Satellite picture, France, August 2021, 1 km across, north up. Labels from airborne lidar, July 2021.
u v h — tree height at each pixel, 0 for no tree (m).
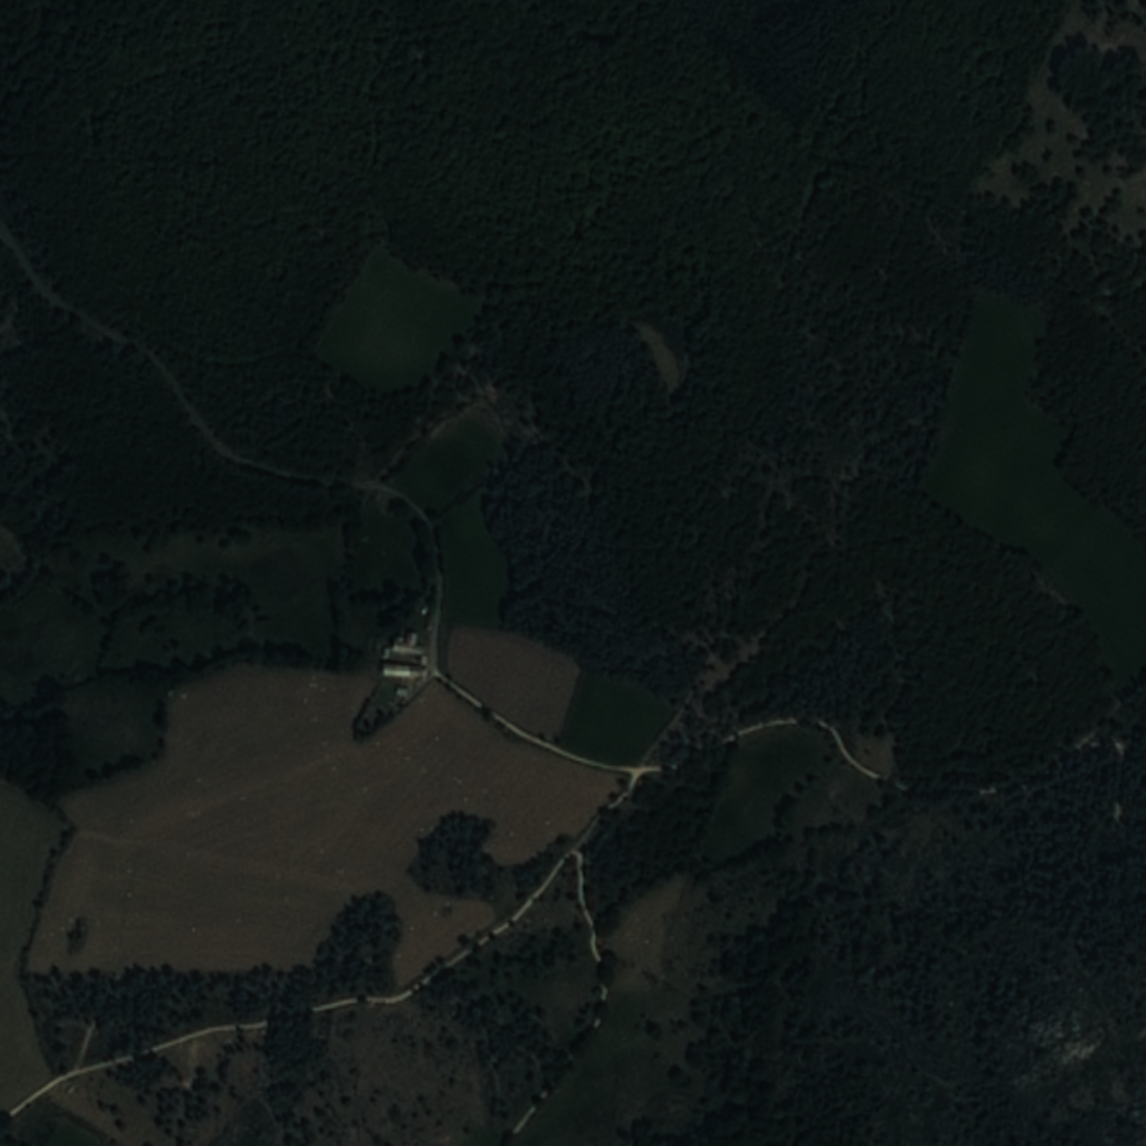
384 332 0
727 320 17
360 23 13
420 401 9
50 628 0
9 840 0
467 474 0
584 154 13
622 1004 0
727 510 11
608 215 14
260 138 14
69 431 14
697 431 10
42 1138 0
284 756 0
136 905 0
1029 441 0
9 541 0
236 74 13
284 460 12
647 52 13
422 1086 0
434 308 0
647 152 14
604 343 17
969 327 9
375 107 13
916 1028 12
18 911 0
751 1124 15
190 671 15
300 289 12
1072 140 8
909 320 8
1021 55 14
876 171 13
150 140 15
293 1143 13
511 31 15
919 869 0
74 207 8
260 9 12
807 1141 13
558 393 11
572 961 8
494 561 0
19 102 10
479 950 11
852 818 0
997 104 16
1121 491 14
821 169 10
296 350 7
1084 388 12
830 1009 0
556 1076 10
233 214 9
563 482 16
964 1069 0
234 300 15
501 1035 14
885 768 0
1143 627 0
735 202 11
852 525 9
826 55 20
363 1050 0
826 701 14
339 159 10
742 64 13
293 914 0
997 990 7
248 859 0
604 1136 0
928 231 8
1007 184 0
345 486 13
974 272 10
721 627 7
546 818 0
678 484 13
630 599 11
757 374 8
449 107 12
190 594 14
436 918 0
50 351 12
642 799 10
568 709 0
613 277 16
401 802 0
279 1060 14
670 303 12
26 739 20
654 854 7
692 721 9
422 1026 0
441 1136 0
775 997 16
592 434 14
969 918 13
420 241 12
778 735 0
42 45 11
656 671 16
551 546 10
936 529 11
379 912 11
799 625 12
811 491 9
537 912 0
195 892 0
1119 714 0
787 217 12
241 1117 0
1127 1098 0
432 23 12
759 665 11
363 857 0
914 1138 0
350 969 10
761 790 0
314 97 10
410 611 14
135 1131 0
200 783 0
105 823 0
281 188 11
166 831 0
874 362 6
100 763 0
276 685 0
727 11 12
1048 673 12
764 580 13
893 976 13
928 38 16
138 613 11
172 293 14
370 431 9
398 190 12
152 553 11
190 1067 0
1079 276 11
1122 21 6
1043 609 13
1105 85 13
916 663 12
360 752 0
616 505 16
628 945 0
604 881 13
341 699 0
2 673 0
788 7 16
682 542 14
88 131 9
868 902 8
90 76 12
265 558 0
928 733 13
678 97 10
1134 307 14
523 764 0
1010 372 0
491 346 18
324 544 0
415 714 0
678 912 0
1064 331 7
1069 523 0
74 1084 0
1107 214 9
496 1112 7
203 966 0
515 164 13
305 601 0
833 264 9
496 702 0
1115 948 12
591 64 11
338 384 11
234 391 13
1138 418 12
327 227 11
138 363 10
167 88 15
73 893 0
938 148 16
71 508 15
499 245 12
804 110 15
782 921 11
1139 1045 0
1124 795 16
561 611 17
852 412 7
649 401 17
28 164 13
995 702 10
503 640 0
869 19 15
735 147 10
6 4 15
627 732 0
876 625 15
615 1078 0
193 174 15
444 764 0
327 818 0
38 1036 0
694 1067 11
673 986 0
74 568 8
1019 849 7
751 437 9
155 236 16
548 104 14
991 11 15
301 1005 11
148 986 14
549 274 14
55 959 0
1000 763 10
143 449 12
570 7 14
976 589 8
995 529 0
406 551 0
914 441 7
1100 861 6
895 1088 0
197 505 12
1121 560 0
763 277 13
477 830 10
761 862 12
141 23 19
